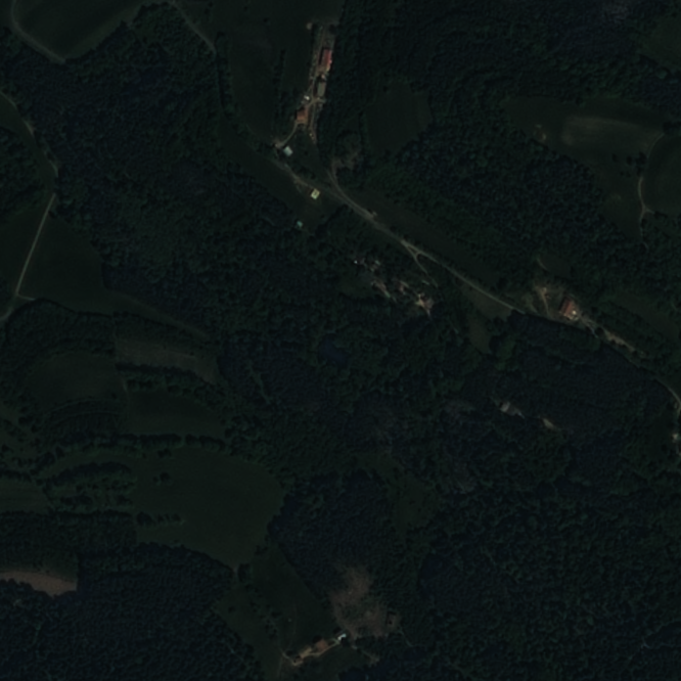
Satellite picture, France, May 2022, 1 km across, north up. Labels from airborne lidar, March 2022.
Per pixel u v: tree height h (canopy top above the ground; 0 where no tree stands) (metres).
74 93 27
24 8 0
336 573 37
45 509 0
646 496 31
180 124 10
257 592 9
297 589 0
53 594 0
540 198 25
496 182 21
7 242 0
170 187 29
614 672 28
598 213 6
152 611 29
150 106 6
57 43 0
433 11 10
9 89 24
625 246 16
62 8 0
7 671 31
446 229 9
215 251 10
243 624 0
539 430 34
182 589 30
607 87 15
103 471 10
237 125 19
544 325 30
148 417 0
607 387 33
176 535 0
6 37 14
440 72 21
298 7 0
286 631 0
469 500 30
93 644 26
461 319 12
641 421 23
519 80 14
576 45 23
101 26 0
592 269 14
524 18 10
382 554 9
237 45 0
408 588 8
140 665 37
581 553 21
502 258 9
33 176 24
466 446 23
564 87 10
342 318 29
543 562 32
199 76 7
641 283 17
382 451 32
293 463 8
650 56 0
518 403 30
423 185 15
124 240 26
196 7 0
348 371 27
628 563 16
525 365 31
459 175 13
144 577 34
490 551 27
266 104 0
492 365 27
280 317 23
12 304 17
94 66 18
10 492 0
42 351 14
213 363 0
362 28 8
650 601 21
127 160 27
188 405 0
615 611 26
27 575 0
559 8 24
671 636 25
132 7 0
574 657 26
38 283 0
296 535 34
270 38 0
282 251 26
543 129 0
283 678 0
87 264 0
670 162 0
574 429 33
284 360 33
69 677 29
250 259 26
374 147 0
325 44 0
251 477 0
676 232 16
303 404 32
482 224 17
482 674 19
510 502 38
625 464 32
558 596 30
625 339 10
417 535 13
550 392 30
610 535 20
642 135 0
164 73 27
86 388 0
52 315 15
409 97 0
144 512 0
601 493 26
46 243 0
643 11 21
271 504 0
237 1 0
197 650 33
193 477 0
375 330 27
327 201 0
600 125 0
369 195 0
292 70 0
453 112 12
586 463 34
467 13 10
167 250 24
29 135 0
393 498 0
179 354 0
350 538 30
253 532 0
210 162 10
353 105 10
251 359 33
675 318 17
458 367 29
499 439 30
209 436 0
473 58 15
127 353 0
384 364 25
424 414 30
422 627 11
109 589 33
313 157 0
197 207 26
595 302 13
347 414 35
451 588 38
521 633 24
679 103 23
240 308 14
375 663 0
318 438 10
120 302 0
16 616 25
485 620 28
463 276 13
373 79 10
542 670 31
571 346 31
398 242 0
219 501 0
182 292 35
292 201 0
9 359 17
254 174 0
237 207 24
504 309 0
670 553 23
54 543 7
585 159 0
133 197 27
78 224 27
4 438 0
